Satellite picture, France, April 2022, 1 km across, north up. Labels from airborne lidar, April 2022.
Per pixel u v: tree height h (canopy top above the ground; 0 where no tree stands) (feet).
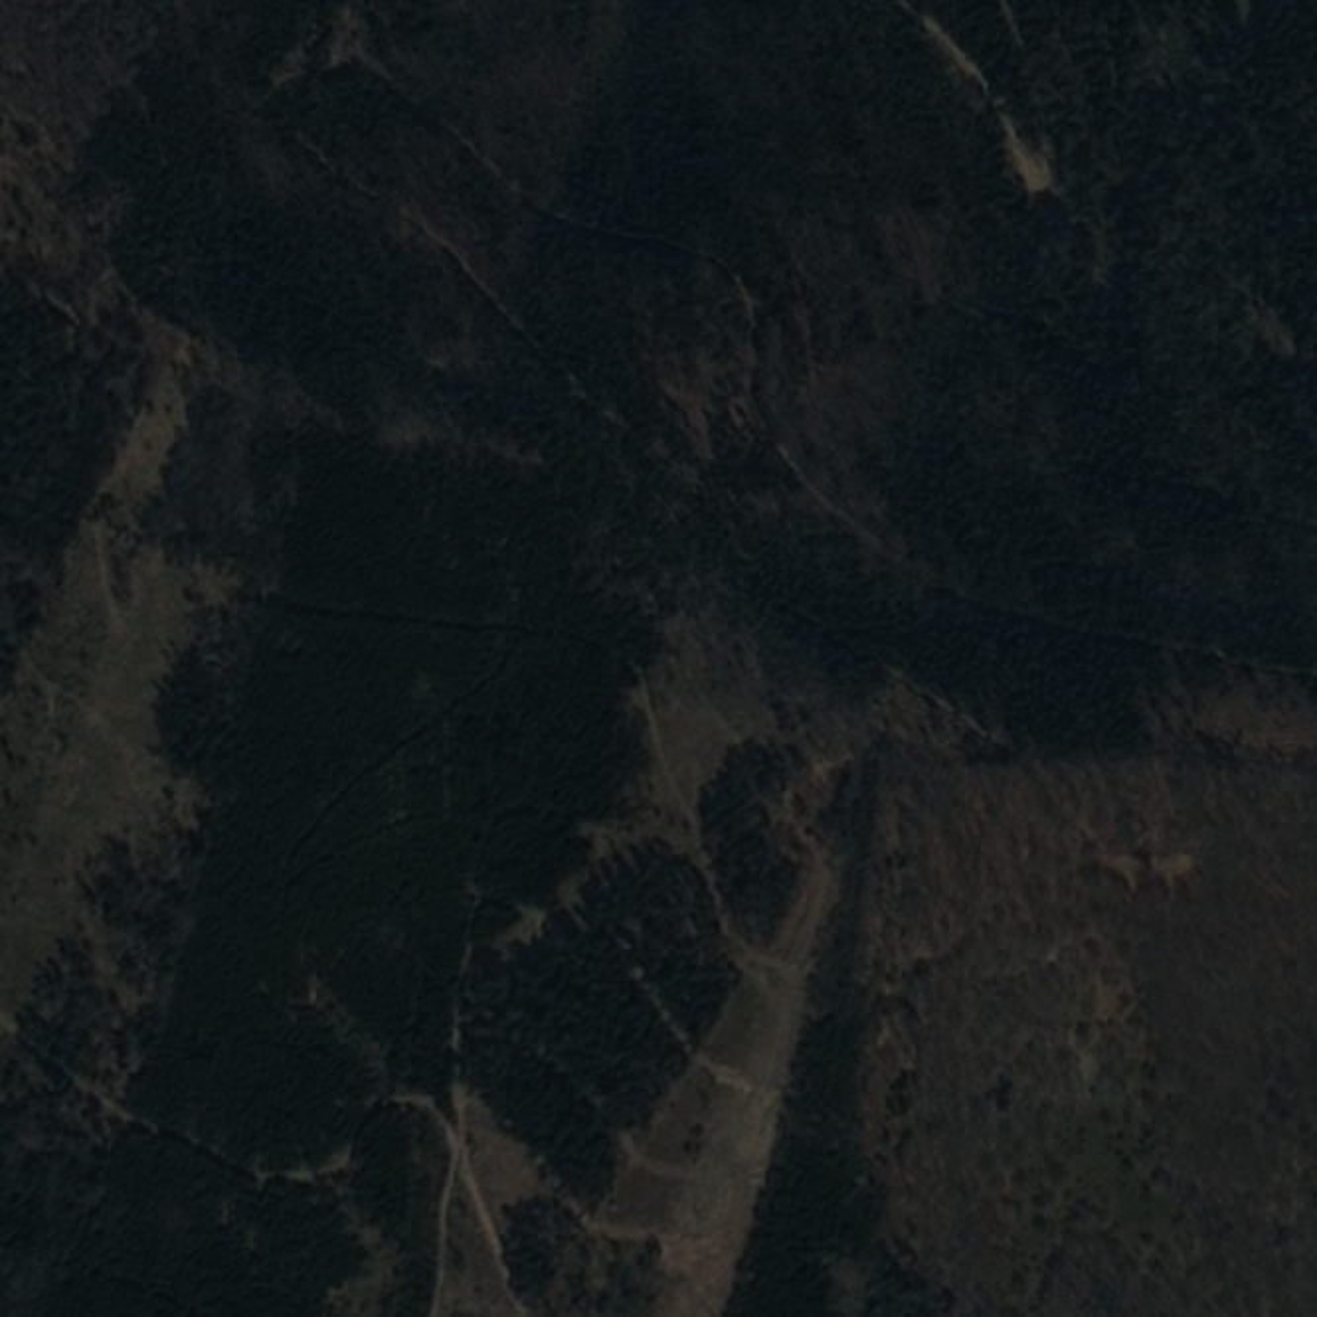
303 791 54
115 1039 77
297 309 78
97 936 0
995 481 80
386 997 49
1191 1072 68
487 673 51
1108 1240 64
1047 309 102
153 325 25
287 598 32
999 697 83
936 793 74
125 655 0
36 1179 67
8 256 29
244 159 68
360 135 75
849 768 23
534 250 59
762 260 78
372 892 44
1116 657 71
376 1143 49
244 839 50
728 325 72
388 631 52
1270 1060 52
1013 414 84
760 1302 48
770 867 41
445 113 78
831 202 68
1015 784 59
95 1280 48
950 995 81
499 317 80
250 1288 37
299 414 80
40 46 86
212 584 0
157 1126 35
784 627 67
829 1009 45
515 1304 0
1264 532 64
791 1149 56
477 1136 0
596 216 70
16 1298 66
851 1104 40
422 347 67
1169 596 94
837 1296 41
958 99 68
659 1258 79
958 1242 84
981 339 84
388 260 66
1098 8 102
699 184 71
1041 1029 64
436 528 52
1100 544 83
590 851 30
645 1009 83
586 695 43
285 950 36
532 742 43
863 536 68
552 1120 88
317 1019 39
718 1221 0
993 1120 81
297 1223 45
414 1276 21
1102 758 75
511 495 49
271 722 52
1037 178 0
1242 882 69
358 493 50
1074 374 93
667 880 73
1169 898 82
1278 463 100
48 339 54
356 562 52
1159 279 89
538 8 100
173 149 69
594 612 45
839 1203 45
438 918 47
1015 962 54
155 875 68
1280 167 86
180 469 76
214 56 68
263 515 79
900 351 77
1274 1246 85
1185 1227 53
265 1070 37
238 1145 41
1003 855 69
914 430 80
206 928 44
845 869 62
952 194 74
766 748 32
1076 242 110
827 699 59
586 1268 20
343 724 44
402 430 52
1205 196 107
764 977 0
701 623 49
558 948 86
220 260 52
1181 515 79
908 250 83
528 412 86
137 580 85
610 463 75
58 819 0
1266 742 0
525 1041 79
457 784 50
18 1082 55
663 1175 0
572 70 85
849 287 98
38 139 76
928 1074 84
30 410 82
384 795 38
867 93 78
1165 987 70
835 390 81
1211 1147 72
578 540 43
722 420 75
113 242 74
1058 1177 58
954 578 80
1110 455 83
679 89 72
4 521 84
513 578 53
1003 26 57
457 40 69
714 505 71
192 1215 42
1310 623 80
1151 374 94
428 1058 40
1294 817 76
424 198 63
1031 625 75
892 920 47
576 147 86
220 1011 39
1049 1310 33
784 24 70
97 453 74
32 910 0
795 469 43
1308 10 94
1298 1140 50
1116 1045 55
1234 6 0
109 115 58
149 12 94
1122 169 98
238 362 44
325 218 66
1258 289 94
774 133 70
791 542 77
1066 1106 19
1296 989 62
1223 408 93
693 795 0
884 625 80
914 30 65
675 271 62
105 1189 90
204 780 33
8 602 78
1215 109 124
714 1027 87
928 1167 76
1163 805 59
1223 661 45
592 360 84
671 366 68
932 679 85
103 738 0
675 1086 28
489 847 49
